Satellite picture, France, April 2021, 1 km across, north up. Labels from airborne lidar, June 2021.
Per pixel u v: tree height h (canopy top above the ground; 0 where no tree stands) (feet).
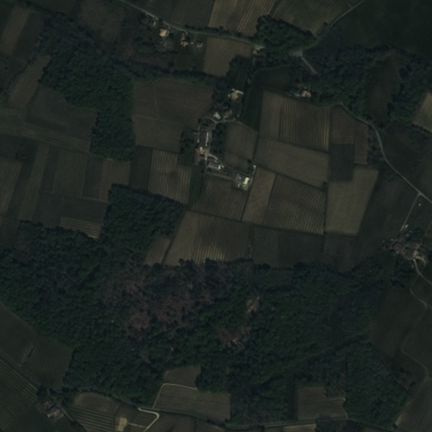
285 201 0
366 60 67
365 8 0
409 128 32
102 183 0
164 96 0
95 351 78
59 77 30
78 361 57
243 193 0
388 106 0
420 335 0
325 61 21
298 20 0
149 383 91
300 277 78
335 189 0
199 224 0
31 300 66
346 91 70
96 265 81
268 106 0
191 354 81
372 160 41
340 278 50
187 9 0
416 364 0
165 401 0
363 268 29
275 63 37
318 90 57
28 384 0
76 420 0
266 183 0
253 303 0
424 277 0
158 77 34
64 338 63
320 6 0
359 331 73
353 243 0
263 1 0
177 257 0
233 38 0
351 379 73
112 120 72
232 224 0
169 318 23
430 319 0
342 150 0
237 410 46
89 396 0
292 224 0
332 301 72
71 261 71
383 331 0
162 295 81
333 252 0
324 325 82
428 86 54
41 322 58
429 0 0
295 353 70
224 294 64
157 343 80
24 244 34
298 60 52
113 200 49
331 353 43
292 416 21
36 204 0
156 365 92
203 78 57
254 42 53
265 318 76
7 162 0
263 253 0
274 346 88
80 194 0
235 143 0
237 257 0
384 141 0
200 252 0
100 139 72
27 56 0
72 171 0
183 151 32
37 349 0
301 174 0
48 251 49
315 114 0
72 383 55
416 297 0
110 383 79
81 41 54
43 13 44
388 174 21
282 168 0
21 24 0
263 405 84
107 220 54
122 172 0
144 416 0
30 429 0
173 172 0
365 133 0
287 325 68
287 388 40
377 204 0
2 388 0
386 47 59
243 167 0
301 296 67
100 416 0
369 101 0
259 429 41
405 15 0
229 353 60
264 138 0
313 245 0
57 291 76
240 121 25
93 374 66
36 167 0
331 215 0
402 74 0
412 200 0
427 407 0
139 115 0
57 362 0
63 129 0
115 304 40
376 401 39
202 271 52
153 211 75
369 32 0
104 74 69
